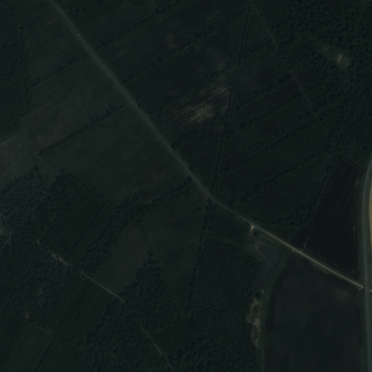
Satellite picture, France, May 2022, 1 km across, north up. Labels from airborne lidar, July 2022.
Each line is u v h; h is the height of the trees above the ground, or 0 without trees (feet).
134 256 0
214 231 36
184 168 0
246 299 53
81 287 22
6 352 40
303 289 0
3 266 71
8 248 58
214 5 19
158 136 0
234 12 20
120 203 0
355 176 0
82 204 36
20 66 67
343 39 80
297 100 69
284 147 18
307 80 20
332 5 31
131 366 85
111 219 73
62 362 48
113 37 20
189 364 61
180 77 17
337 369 0
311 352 0
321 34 43
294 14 88
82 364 69
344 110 31
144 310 81
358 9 35
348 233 0
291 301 0
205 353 79
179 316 21
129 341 70
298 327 0
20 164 0
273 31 21
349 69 45
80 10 55
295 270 0
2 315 37
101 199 45
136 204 29
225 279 68
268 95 22
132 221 39
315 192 25
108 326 80
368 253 0
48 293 90
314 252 0
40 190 79
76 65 81
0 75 70
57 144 60
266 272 0
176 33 18
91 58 0
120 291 0
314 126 29
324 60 74
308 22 84
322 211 0
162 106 25
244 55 21
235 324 59
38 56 0
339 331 0
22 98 41
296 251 0
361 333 0
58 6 0
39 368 34
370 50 50
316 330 0
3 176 0
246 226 48
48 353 41
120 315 92
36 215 79
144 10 21
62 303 60
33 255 72
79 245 52
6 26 42
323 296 0
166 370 35
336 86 48
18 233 60
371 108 62
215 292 61
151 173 0
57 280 53
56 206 59
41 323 54
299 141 21
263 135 18
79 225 37
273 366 0
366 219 0
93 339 90
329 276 0
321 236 0
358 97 78
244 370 54
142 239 0
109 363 90
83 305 27
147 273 78
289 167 19
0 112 35
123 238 0
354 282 0
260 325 0
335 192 0
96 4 24
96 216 56
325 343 0
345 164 0
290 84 26
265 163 18
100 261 87
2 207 67
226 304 48
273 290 0
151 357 71
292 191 21
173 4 21
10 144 0
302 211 86
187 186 63
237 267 51
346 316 0
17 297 78
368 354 0
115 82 0
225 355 80
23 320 38
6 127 26
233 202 79
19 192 93
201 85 27
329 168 72
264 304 0
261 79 22
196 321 41
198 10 18
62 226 52
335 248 0
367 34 90
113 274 0
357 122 89
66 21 0
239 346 60
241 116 24
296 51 58
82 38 0
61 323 27
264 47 27
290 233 0
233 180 19
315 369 0
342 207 0
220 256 50
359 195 0
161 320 84
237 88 19
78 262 53
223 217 57
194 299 50
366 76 49
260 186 80
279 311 0
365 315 0
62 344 43
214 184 24
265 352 0
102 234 82
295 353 0
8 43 76
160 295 101
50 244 54
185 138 79
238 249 47
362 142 88
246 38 29
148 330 83
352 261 0
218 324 47
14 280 61
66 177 90
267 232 0
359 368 0
